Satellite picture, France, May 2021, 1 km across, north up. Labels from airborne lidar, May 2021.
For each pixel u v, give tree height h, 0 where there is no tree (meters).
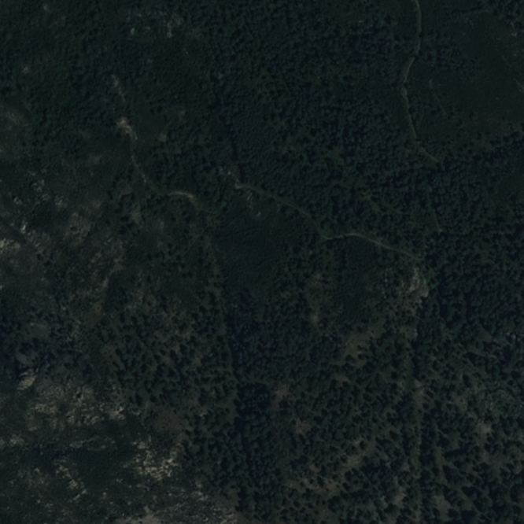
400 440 29
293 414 35
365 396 12
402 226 19
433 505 11
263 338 29
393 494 25
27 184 7
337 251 7
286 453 28
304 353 31
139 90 17
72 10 13
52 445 8
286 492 31
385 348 28
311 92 25
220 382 27
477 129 6
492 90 6
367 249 7
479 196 25
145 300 7
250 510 34
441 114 19
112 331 25
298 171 22
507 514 33
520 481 22
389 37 28
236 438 37
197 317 31
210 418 33
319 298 7
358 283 9
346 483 0
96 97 7
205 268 6
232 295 29
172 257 25
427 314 33
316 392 35
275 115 9
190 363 21
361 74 25
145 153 5
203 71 14
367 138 31
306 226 17
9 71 20
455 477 33
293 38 23
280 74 21
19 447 6
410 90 16
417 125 17
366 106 24
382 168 16
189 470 8
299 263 9
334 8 18
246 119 29
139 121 13
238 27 16
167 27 6
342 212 30
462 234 17
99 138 6
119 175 6
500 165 16
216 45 22
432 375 28
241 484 28
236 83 17
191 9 21
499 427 20
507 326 21
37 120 8
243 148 28
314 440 31
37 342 9
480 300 29
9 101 6
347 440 14
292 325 19
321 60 24
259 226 8
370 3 18
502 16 30
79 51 9
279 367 32
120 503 7
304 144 30
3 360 6
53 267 23
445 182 29
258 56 20
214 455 23
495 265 11
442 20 5
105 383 8
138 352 29
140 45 12
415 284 6
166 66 11
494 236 6
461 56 23
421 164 27
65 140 11
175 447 8
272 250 9
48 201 6
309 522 32
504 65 6
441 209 29
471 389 26
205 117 14
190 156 30
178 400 34
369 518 22
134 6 10
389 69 17
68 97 11
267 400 17
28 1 14
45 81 11
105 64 6
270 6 19
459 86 6
